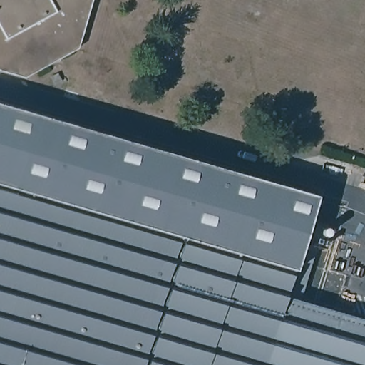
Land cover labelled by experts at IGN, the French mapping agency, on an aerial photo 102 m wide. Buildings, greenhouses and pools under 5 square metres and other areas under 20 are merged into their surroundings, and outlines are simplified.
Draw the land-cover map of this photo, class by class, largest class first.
<instances>
[{"label":"building","instance_id":"1","mask_svg":"<svg viewBox=\"0 0 365 365\"><path fill-rule=\"evenodd\" d=\"M94 0H0V74L31 81L36 76H47L53 70L54 64L61 63L64 57L83 48L84 34ZM321 195L0 103V365H365V319L288 298L295 282L307 285L308 282V264H305V258L321 210Z\"/></svg>","mask_w":365,"mask_h":365},{"label":"herbaceous vegetation","instance_id":"2","mask_svg":"<svg viewBox=\"0 0 365 365\"><path fill-rule=\"evenodd\" d=\"M154 14H163L161 24L170 29V44L163 38H145V27L153 19ZM141 43L155 48L158 61L163 64L165 70L160 76H150L155 94L160 97L155 103H138L131 98L130 83L137 80V74L128 66L131 51ZM31 81L175 123L181 104L194 94L195 100L207 103L210 107L205 111V118H202L204 124L194 125V130L241 141L244 128L242 111L250 107L264 111L271 118L272 124L278 125L285 133L289 127L295 128L299 140L307 145L315 147L322 137L327 138L328 143L325 145L365 160V0H94L84 34L83 48L64 57L61 63L54 64L53 70L47 76H36Z\"/></svg>","mask_w":365,"mask_h":365},{"label":"impervious surface","instance_id":"3","mask_svg":"<svg viewBox=\"0 0 365 365\"><path fill-rule=\"evenodd\" d=\"M0 103L321 195V210L305 258V264H308V282L307 285L295 282L288 298L365 319V168L335 158L322 157L321 148L325 145L328 143L327 138L322 137L315 147L307 145L299 148L298 153L291 154L289 163L279 165L275 161H268L265 155H261L252 145L241 141L194 130H182L175 123L31 81L0 74Z\"/></svg>","mask_w":365,"mask_h":365},{"label":"deciduous trees","instance_id":"4","mask_svg":"<svg viewBox=\"0 0 365 365\"><path fill-rule=\"evenodd\" d=\"M163 14H154L153 19L145 27V38H163L170 44V29L161 24ZM137 74V80L130 83L131 98L138 103H155L160 97L155 94L150 76H160L165 70L163 64L158 61L155 48L141 43L131 51L128 66ZM210 107L207 103L195 100L194 94L181 104L175 123L182 130H194V125L204 124L202 118H205V111ZM282 145L291 154L298 153L299 148L307 145L299 140L295 128L289 127L285 133L282 135Z\"/></svg>","mask_w":365,"mask_h":365},{"label":"coniferous trees","instance_id":"5","mask_svg":"<svg viewBox=\"0 0 365 365\"><path fill-rule=\"evenodd\" d=\"M244 128L241 141L252 145L261 155H265L268 161H275L279 165L289 163L291 154L282 145V135L285 133L278 125L272 124L271 118L264 111L250 107L242 111Z\"/></svg>","mask_w":365,"mask_h":365},{"label":"brushwood","instance_id":"6","mask_svg":"<svg viewBox=\"0 0 365 365\"><path fill-rule=\"evenodd\" d=\"M322 157L335 158L365 168V160L325 145L321 148Z\"/></svg>","mask_w":365,"mask_h":365}]
</instances>
